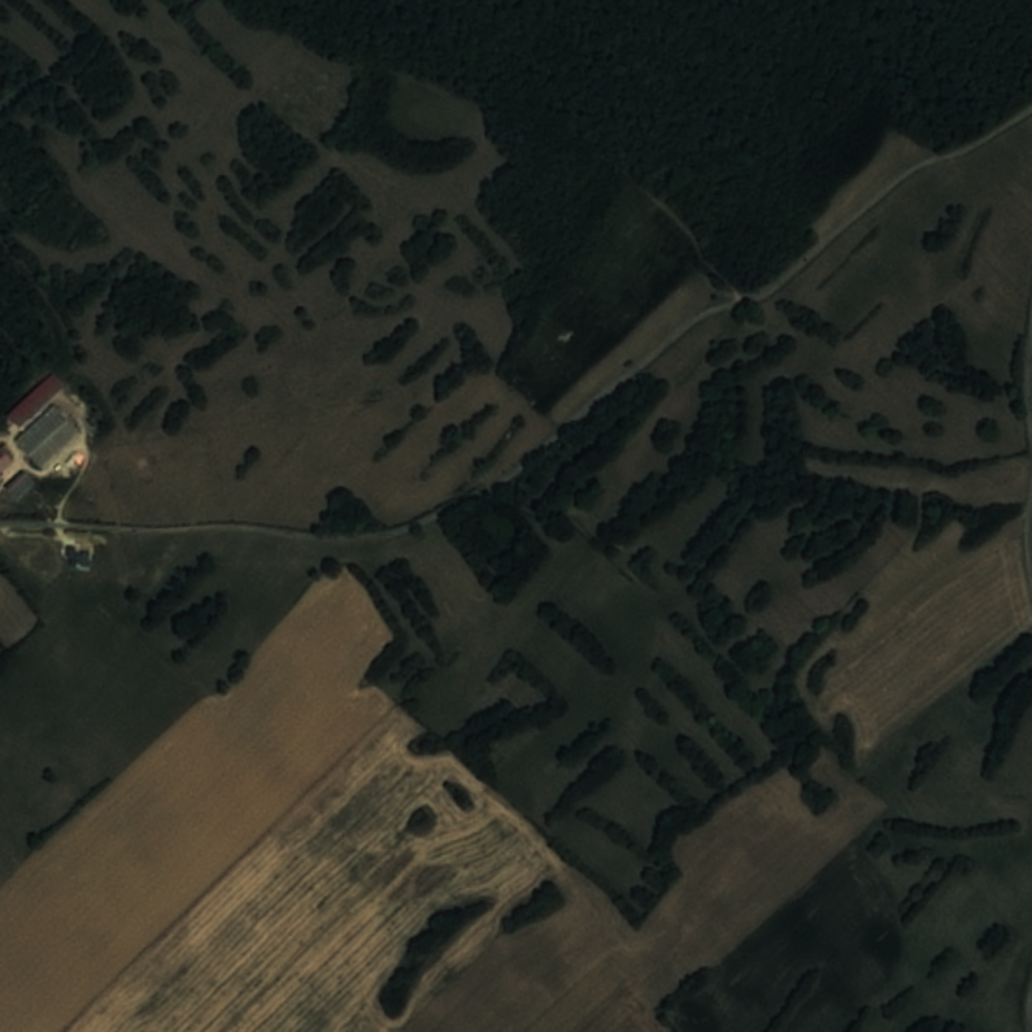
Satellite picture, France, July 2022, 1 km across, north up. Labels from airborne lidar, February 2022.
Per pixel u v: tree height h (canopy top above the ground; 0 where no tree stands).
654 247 0
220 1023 0
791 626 0
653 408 17
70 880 0
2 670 11
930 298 0
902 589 0
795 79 19
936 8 18
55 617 0
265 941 0
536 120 24
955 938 0
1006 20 12
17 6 9
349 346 0
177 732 0
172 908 0
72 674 0
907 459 12
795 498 12
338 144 11
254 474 0
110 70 7
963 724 0
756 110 17
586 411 0
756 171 14
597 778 12
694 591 9
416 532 14
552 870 0
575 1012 0
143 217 0
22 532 0
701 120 19
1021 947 0
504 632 0
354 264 10
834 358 0
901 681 0
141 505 0
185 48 0
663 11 14
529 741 0
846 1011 0
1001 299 0
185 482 0
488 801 0
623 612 0
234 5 13
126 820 0
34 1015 0
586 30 17
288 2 20
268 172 9
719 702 0
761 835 0
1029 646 13
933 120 12
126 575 0
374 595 12
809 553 12
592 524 0
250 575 0
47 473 0
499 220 14
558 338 0
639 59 12
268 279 0
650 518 13
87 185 0
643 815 0
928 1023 12
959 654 0
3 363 17
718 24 18
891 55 23
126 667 0
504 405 0
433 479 0
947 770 0
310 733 0
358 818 0
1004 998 0
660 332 0
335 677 0
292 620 0
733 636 14
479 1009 0
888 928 0
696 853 0
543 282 10
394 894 0
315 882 0
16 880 0
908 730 0
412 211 0
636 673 0
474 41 16
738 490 9
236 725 0
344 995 0
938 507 16
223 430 0
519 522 11
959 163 0
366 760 0
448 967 0
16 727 0
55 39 7
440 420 0
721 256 10
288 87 0
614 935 0
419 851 0
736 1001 0
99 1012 0
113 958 0
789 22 17
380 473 0
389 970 0
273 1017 0
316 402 0
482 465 15
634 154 13
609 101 16
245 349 0
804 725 21
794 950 0
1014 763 0
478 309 0
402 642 6
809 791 10
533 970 0
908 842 0
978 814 0
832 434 0
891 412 0
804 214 10
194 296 14
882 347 0
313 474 0
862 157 13
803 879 0
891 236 0
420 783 0
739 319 12
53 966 0
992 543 0
